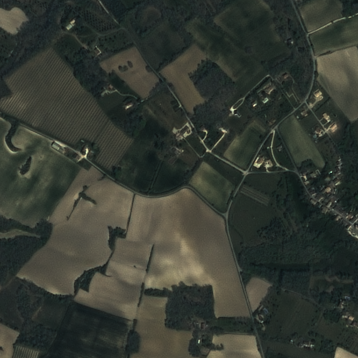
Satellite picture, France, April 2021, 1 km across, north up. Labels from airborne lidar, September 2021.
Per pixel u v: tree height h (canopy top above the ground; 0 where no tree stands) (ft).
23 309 48
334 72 0
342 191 35
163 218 0
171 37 0
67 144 0
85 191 24
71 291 0
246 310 0
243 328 0
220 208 0
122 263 0
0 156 0
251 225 0
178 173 0
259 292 0
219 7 47
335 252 23
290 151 0
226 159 18
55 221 0
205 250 0
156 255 0
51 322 0
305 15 0
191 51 0
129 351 55
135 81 0
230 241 0
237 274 0
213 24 52
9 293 0
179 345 0
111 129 0
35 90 0
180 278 0
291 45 37
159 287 0
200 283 0
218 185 0
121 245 0
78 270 0
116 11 39
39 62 0
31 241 51
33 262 0
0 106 0
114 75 36
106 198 0
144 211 0
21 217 0
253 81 0
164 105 0
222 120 56
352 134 41
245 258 44
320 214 43
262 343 0
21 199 0
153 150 0
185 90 0
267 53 0
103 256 0
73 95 0
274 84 30
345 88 0
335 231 47
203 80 66
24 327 42
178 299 48
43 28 27
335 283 0
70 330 0
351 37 0
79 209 0
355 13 46
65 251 0
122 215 0
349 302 0
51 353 0
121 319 0
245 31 0
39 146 0
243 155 0
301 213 0
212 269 0
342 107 0
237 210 0
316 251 41
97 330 0
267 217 0
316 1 0
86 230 0
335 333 0
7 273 48
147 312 0
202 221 0
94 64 69
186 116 49
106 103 0
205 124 60
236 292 0
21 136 0
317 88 0
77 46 0
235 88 62
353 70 0
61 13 37
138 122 64
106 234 0
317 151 0
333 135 0
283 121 0
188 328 58
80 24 55
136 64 0
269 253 32
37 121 0
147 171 0
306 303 0
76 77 52
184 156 0
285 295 0
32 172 0
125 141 0
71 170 0
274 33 0
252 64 0
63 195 0
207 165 0
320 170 0
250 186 22
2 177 0
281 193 0
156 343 0
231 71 0
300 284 55
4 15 0
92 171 0
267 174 0
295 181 0
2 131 0
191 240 0
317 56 0
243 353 0
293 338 29
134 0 0
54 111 0
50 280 0
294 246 48
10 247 46
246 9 0
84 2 50
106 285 0
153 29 33
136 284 0
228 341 0
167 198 0
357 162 56
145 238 0
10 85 0
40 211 0
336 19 0
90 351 0
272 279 48
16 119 0
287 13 28
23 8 43
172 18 60
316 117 0
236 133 38
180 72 0
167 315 45
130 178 0
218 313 0
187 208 0
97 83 68
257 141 0
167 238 0
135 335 60
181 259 0
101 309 0
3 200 0
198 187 0
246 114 0
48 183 0
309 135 0
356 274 29
